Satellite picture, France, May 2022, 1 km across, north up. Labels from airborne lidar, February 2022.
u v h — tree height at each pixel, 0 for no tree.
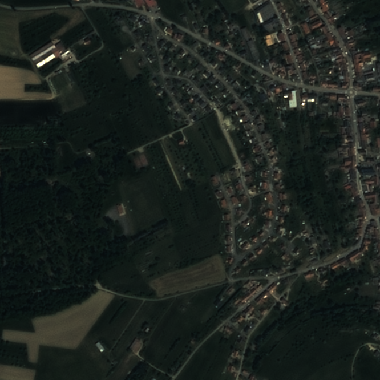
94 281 12
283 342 0
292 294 0
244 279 0
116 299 0
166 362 0
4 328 0
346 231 15
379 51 0
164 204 0
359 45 0
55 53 0
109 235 22
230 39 0
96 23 0
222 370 0
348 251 0
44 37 0
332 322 13
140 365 14
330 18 0
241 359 0
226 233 0
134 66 0
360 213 0
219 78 0
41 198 28
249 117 0
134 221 0
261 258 0
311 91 0
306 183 14
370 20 16
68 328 0
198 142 0
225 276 0
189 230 0
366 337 0
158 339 0
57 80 0
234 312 0
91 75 10
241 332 0
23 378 0
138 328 0
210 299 0
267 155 0
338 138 12
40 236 0
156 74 0
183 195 0
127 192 0
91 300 0
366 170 0
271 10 0
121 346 0
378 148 0
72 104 0
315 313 14
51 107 0
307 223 0
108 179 27
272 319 0
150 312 0
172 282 0
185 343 0
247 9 0
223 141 0
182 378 0
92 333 0
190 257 0
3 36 0
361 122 0
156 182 0
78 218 29
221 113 0
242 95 7
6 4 0
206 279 0
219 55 0
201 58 0
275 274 0
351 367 0
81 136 0
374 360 0
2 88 0
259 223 0
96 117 0
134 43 0
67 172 16
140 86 7
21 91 0
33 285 19
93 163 27
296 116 0
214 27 0
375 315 12
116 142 21
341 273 0
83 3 0
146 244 8
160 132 0
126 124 0
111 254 18
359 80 0
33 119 0
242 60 0
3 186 20
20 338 0
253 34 0
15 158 0
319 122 10
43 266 28
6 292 26
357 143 0
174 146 0
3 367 0
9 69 0
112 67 0
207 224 0
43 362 0
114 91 0
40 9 0
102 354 0
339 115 0
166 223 16
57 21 0
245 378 0
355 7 0
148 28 0
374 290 0
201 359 0
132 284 0
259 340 20
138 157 0
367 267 0
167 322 0
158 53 0
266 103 0
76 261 25
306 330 0
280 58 0
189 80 0
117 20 0
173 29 6
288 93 0
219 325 0
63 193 28
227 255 0
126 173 0
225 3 0
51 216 31
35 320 0
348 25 0
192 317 0
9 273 24
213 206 0
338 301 0
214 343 0
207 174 6
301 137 0
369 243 0
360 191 0
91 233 9
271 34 0
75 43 0
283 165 0
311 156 0
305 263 0
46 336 0
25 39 0
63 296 22
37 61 0
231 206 0
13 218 23
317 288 6
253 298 0
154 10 0
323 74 0
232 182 0
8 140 6
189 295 0
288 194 0
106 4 0
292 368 0
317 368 0
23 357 0
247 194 0
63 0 0
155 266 7
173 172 0
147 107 0
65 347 0
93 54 0
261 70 0
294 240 0
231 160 0
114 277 0
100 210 7
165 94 12
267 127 8
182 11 0
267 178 0
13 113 0
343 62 0
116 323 0
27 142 0
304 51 0
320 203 0
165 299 0
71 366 0
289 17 0
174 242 0
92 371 0
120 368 0
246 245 0
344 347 0
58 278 25
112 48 0
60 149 0
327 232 12
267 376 0
